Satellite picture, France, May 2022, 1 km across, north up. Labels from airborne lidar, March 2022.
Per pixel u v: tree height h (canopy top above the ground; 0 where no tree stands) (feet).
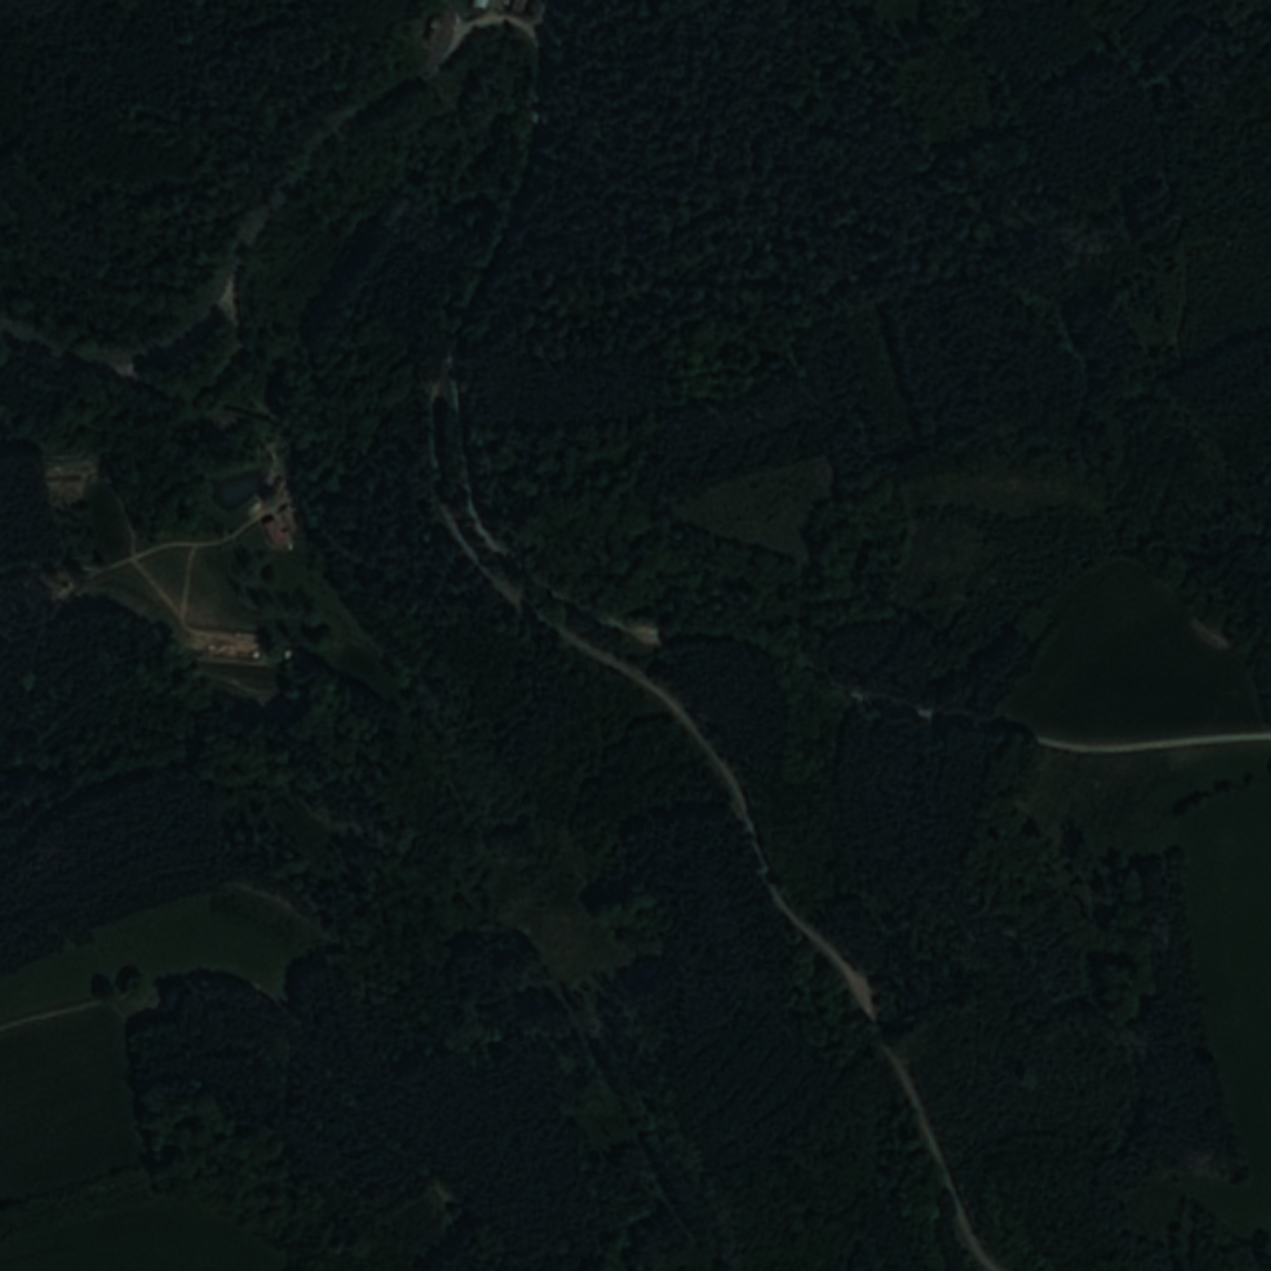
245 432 53
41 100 50
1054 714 0
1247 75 28
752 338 85
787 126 107
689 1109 53
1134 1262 39
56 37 66
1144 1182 25
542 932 0
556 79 65
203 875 83
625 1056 95
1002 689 86
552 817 34
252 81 90
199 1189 83
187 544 0
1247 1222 0
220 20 41
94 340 62
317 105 117
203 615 0
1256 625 54
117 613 71
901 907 78
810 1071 54
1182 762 0
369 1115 96
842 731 91
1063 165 71
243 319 26
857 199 116
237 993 95
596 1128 0
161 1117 99
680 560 80
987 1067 29
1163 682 0
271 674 0
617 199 109
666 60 65
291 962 0
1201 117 25
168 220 71
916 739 82
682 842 95
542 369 80
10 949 94
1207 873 0
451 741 59
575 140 102
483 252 82
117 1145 0
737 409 102
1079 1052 23
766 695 80
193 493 92
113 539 0
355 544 102
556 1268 70
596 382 63
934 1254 72
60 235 82
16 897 93
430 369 92
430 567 106
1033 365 93
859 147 127
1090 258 104
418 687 77
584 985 0
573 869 0
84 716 29
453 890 45
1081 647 0
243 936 0
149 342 63
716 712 82
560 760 27
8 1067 0
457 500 101
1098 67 103
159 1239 0
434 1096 100
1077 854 67
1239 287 20
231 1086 80
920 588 0
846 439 85
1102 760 0
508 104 63
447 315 91
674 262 91
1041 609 25
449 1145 109
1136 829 0
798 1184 51
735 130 91
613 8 109
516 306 54
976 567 0
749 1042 62
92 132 60
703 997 103
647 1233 92
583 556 80
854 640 94
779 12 73
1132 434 24
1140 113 65
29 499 115
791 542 0
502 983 105
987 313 104
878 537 31
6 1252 0
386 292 94
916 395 77
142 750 0
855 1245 65
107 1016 0
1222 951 0
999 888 81
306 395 87
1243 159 22
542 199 109
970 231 96
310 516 69
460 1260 84
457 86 0
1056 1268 30
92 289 55
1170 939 35
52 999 0
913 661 105
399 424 41
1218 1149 97
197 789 86
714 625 69
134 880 92
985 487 0
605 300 22
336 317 97
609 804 22
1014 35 67
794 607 46
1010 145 78
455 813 45
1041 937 36
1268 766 0
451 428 58
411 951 71
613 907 110
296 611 78
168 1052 72
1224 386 59
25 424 77
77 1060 0
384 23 51
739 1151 64
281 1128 99
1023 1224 38
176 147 51
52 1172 0
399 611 86
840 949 81
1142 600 0
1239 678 0
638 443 59
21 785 92
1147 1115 83
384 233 101
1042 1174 34
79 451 41
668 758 24
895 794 86
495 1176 115
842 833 63
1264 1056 0
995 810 106
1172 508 24
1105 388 89
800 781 62
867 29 126
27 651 95
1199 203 35
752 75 93
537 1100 100
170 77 60
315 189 56
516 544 97
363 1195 78
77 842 93
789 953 44
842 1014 29
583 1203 107
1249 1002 0
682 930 92
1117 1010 98
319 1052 69
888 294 102
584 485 71
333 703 87
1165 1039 93
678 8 81
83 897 104
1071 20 52
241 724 70
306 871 49
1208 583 58
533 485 74
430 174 61
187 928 0
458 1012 104
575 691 56
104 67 66
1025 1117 30
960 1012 23
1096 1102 31
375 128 71
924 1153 77
